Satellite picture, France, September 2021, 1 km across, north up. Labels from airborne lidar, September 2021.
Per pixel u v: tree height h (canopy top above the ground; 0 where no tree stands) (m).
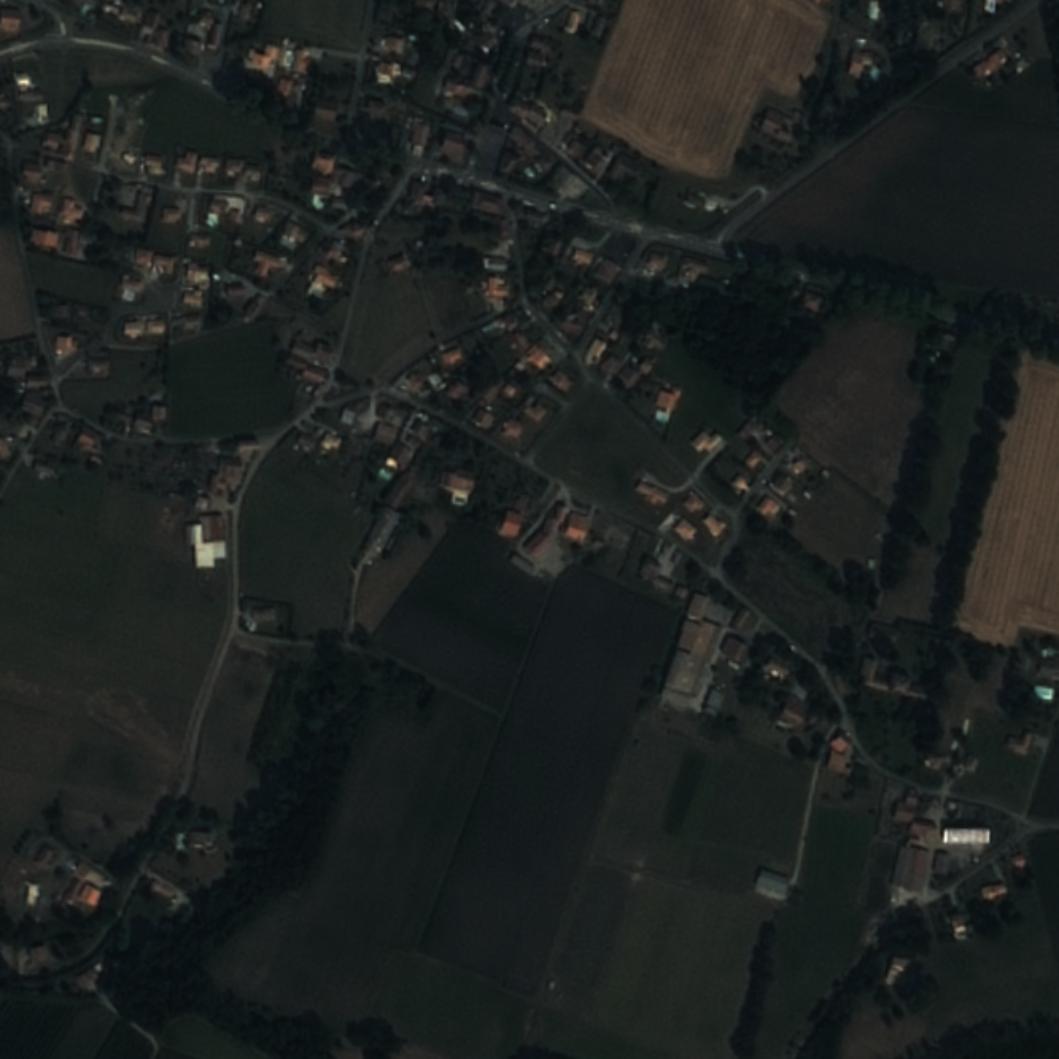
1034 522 0
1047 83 0
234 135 0
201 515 0
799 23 0
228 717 0
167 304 0
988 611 0
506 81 10
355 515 0
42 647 0
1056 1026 10
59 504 0
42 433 0
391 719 0
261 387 0
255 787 0
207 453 0
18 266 0
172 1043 0
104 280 0
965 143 0
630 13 0
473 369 7
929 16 13
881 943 13
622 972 0
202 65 0
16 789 0
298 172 10
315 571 0
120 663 0
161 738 0
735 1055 15
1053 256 0
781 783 0
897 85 11
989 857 0
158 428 9
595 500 0
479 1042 0
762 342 10
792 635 0
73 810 0
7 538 0
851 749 0
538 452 0
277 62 0
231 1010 15
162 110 0
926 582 0
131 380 0
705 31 0
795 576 0
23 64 0
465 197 7
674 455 0
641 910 0
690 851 0
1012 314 6
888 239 0
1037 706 11
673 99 0
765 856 0
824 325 14
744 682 8
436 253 14
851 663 15
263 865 19
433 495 0
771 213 0
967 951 0
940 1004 0
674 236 0
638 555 0
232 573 0
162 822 17
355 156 30
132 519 0
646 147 0
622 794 0
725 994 0
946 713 0
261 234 0
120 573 0
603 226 0
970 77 9
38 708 0
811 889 0
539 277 6
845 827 0
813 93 7
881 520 0
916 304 33
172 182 0
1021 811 0
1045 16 18
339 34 0
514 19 0
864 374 0
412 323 0
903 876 0
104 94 0
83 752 0
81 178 0
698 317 16
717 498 0
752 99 0
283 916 0
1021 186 0
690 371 0
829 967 0
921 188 0
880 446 0
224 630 0
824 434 0
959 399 0
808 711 5
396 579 0
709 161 0
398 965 0
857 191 0
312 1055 20
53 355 0
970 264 0
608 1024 0
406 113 0
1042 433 0
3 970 16
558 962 0
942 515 0
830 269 30
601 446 0
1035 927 0
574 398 0
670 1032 0
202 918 7
